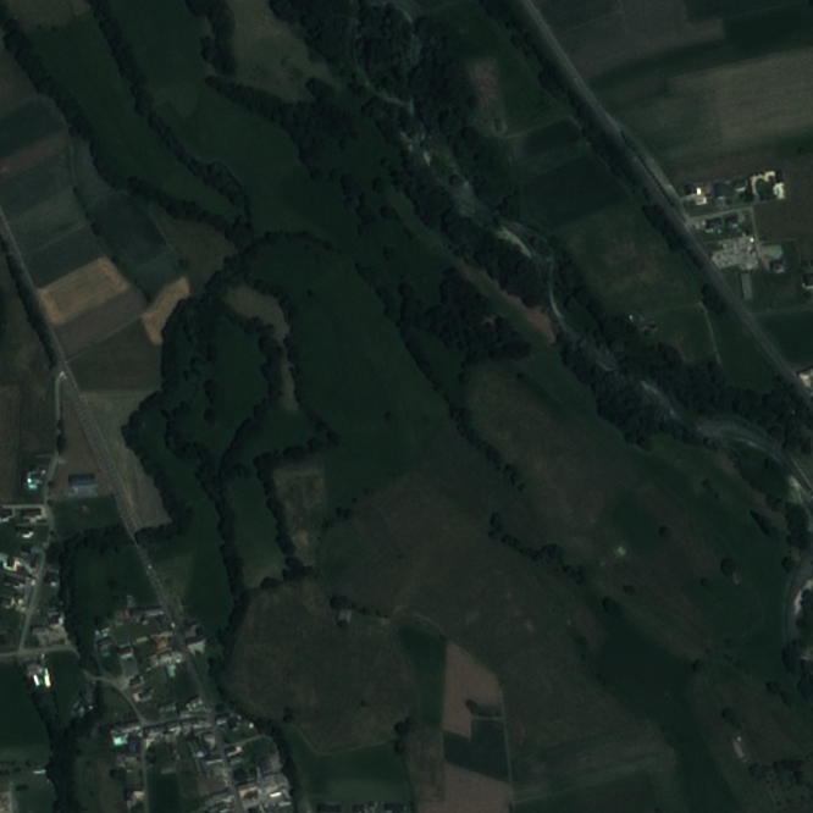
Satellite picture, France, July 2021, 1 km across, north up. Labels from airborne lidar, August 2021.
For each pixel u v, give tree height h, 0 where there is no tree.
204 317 20
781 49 0
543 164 0
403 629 0
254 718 9
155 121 19
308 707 0
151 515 0
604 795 0
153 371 0
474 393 0
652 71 0
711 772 0
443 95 20
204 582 0
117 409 0
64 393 0
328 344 0
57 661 0
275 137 0
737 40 0
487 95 0
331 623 0
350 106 0
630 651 0
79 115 23
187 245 0
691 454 0
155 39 0
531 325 0
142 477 0
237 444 13
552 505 0
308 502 0
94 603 0
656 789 0
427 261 0
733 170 0
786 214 0
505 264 26
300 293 0
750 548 0
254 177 0
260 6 0
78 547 12
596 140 11
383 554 0
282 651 0
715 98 0
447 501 0
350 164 0
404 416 0
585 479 0
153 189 16
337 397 0
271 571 0
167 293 0
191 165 16
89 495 0
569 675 0
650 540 0
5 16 12
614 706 0
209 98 0
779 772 13
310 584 0
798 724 0
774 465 16
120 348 0
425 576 0
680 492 0
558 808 0
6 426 0
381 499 0
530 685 0
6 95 0
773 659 0
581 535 0
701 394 27
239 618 14
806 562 0
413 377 0
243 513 0
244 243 11
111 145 0
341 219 0
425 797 0
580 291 10
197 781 0
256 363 0
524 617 0
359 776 0
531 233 8
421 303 10
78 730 20
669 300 0
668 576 0
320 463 0
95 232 10
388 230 0
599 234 0
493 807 0
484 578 0
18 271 12
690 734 0
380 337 0
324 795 0
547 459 0
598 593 0
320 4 32
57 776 21
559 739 0
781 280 0
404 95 20
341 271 0
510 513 0
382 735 0
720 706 0
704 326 0
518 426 0
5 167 0
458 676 0
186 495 0
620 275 0
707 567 0
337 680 0
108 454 0
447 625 0
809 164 0
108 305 0
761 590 0
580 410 0
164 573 0
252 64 0
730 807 0
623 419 18
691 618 0
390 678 0
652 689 0
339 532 0
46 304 0
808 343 0
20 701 0
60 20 0
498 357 24
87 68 0
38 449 0
